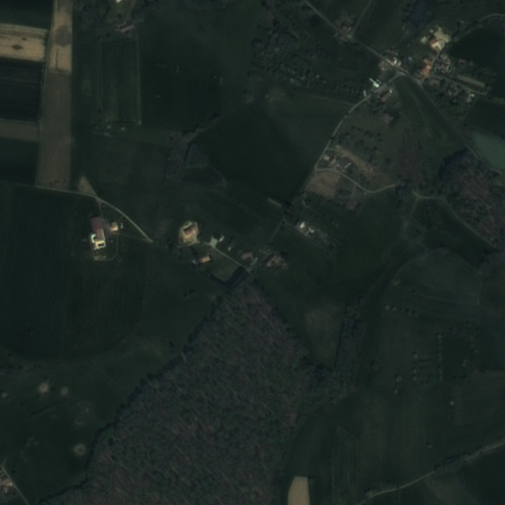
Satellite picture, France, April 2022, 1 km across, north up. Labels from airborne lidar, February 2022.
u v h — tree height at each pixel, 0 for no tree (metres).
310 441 0
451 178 30
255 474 32
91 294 0
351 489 0
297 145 0
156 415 33
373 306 0
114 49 0
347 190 0
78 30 0
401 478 0
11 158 0
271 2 22
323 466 0
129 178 0
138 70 0
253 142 0
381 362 0
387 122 0
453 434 0
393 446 0
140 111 0
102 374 0
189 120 0
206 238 0
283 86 0
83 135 0
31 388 0
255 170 0
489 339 0
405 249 0
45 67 0
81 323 0
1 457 0
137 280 0
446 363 0
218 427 36
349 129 0
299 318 0
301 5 24
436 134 0
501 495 0
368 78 0
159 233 0
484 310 0
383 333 0
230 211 0
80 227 0
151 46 0
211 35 0
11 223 0
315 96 0
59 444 0
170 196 0
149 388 28
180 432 33
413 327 0
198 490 29
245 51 0
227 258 0
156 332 0
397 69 0
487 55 0
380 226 0
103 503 22
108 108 0
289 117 0
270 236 0
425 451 0
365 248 0
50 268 0
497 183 25
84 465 0
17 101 0
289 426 29
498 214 26
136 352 0
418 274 0
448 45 8
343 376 12
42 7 0
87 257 0
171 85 0
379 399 0
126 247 0
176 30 0
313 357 0
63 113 0
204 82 0
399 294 0
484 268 23
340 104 0
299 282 0
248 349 31
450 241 0
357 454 0
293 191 0
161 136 0
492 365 0
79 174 0
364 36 0
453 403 0
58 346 0
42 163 0
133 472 27
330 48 0
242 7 0
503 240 19
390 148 0
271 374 33
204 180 0
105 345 0
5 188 0
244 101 0
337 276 0
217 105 0
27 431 0
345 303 0
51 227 0
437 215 0
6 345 0
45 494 0
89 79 0
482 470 0
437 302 0
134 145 0
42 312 0
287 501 0
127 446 31
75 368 0
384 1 0
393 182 0
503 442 12
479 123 0
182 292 0
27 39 0
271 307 27
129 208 0
